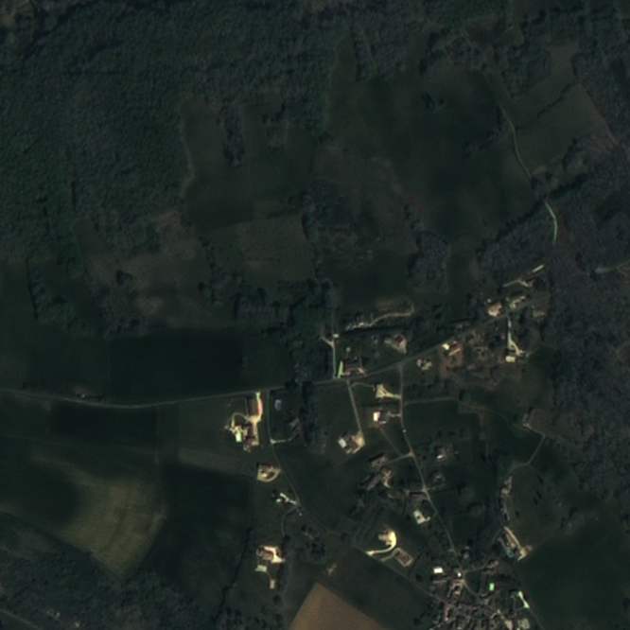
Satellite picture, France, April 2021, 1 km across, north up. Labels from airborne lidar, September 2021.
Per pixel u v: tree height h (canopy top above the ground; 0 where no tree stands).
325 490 0
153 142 20
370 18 16
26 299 0
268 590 0
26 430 0
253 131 0
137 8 7
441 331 11
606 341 15
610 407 21
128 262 0
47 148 22
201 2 27
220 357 0
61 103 17
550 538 0
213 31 24
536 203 0
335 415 0
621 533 0
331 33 19
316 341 12
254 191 0
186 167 20
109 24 20
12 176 24
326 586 0
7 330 0
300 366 7
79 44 21
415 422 0
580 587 0
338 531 0
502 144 0
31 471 0
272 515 0
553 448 9
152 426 0
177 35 23
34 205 21
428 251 16
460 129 0
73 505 0
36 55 22
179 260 0
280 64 17
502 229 0
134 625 16
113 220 19
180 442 0
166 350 0
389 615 0
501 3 17
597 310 12
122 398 0
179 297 0
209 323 0
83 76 17
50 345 0
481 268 17
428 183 0
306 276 0
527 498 0
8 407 0
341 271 0
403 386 0
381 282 0
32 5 0
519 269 10
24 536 0
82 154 13
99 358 0
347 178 0
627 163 15
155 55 22
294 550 11
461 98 0
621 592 0
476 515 15
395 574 0
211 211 0
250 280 0
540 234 15
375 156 0
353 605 0
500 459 23
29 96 23
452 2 19
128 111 17
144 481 0
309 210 18
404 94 0
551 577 0
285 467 0
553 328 16
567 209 17
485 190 0
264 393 0
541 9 0
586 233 20
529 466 0
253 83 18
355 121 0
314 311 15
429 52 9
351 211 0
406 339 15
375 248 0
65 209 23
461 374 16
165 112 23
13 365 0
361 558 0
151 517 0
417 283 20
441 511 0
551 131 0
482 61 15
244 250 0
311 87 23
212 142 0
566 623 0
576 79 11
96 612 10
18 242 20
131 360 0
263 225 0
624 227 18
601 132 0
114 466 0
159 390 0
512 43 0
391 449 0
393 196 0
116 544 0
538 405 0
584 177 0
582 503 0
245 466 0
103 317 14
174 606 18
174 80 19
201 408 0
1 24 0
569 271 15
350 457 0
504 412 0
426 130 0
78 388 0
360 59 16
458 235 0
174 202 17
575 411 21
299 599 0
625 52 17
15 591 10
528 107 0
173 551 0
